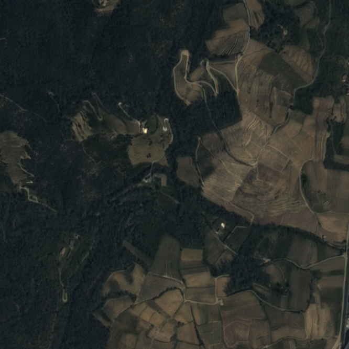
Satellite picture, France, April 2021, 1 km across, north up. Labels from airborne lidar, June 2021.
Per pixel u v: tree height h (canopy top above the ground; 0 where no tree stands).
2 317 13
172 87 12
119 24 9
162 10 7
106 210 17
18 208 10
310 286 10
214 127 8
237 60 0
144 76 7
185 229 14
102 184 12
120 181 14
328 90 8
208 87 0
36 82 9
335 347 0
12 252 11
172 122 14
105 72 6
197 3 13
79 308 18
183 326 7
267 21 8
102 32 12
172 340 11
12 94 6
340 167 6
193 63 9
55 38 8
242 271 17
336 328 0
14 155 0
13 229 20
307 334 0
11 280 18
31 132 6
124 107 8
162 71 6
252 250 11
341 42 8
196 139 12
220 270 23
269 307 0
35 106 11
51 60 7
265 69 0
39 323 9
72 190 9
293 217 0
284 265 0
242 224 22
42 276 7
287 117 6
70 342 10
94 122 0
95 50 12
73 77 9
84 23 9
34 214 13
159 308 0
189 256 0
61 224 13
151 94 6
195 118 14
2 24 7
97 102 14
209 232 8
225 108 10
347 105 0
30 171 7
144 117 11
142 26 7
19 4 9
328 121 8
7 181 18
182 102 8
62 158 8
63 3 16
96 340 14
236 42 0
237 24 0
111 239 10
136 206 7
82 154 5
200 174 8
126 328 0
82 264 22
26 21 8
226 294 14
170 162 17
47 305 5
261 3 6
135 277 0
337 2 10
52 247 7
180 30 8
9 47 7
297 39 9
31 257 13
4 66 9
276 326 0
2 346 9
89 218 10
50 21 7
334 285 0
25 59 8
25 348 6
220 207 11
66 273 11
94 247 17
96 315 0
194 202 16
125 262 17
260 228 16
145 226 9
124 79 7
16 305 16
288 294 10
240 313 0
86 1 11
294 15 11
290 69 0
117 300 0
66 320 14
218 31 0
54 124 8
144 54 11
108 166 8
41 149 7
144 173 18
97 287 14
